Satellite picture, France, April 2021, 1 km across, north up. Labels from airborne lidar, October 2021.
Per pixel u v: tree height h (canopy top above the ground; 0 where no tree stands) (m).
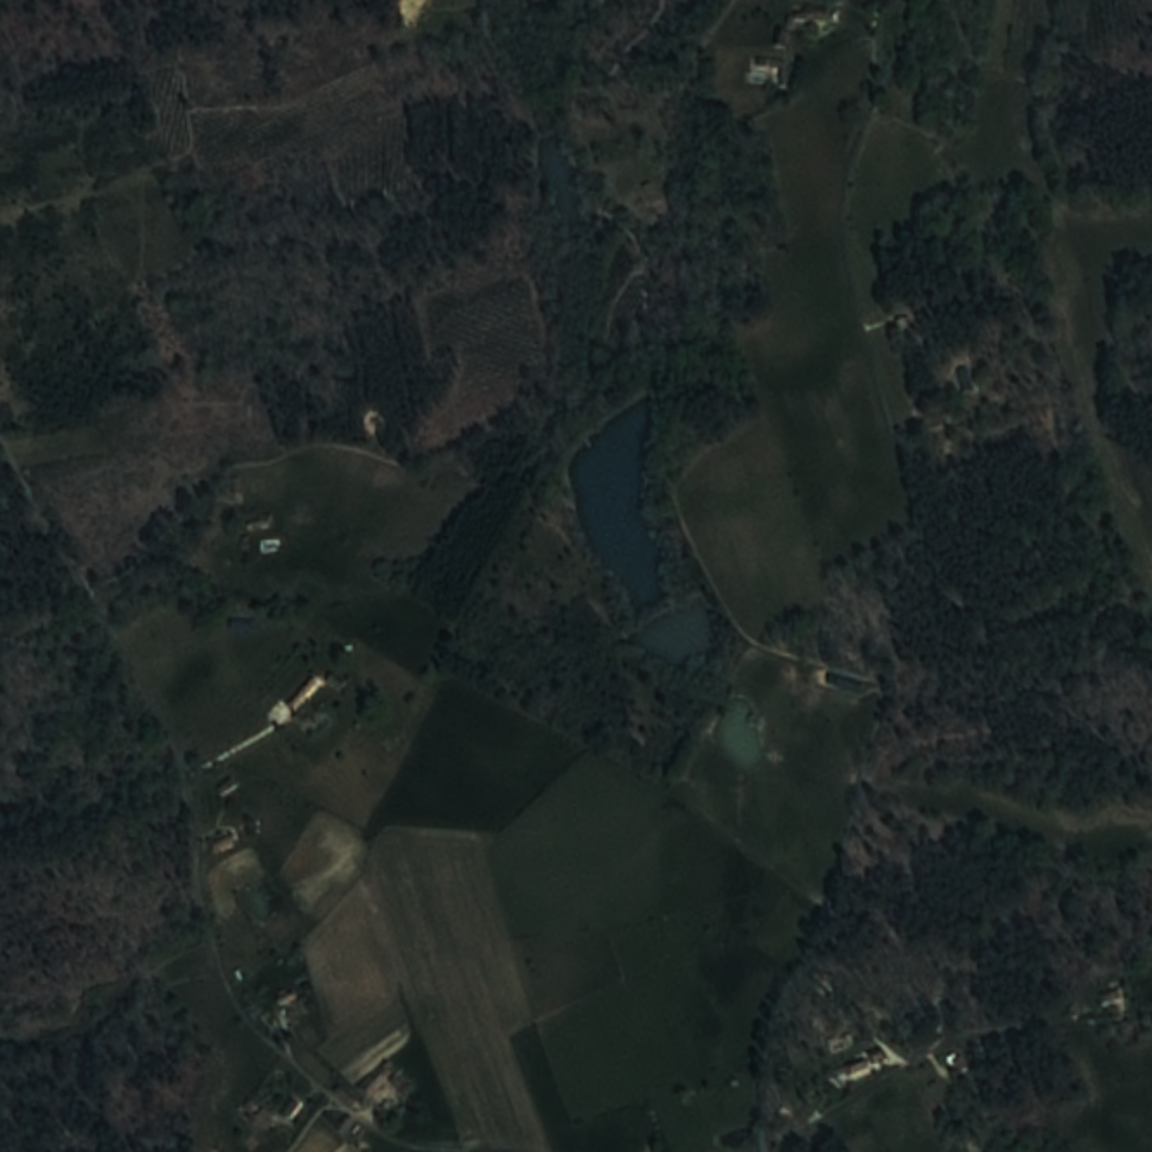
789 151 0
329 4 21
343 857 0
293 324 11
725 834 0
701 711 11
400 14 6
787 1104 19
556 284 15
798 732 0
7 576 25
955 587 23
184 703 0
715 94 12
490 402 0
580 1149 0
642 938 0
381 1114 10
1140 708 10
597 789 0
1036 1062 29
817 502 0
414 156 15
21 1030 16
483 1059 0
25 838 24
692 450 16
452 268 19
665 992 0
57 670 19
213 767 8
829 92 0
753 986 0
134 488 0
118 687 20
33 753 14
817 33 8
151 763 6
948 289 24
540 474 20
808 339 0
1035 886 25
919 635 22
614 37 15
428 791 0
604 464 0
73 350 7
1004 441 6
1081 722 9
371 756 0
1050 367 25
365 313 12
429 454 9
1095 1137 0
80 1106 15
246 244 13
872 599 18
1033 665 15
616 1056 0
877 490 0
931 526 21
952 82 17
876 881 13
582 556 10
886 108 18
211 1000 0
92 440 0
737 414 23
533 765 0
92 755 16
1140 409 23
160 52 11
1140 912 11
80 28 17
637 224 10
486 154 19
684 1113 0
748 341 0
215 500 22
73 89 19
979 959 18
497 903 0
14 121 12
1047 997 24
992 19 16
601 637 11
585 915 0
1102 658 17
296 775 0
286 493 0
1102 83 7
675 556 21
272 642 0
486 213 23
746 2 0
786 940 0
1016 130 0
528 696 8
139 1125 6
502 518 18
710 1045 0
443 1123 0
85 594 11
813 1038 22
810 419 0
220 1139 0
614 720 9
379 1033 0
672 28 14
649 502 13
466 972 0
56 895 8
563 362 19
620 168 0
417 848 0
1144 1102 0
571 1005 0
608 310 11
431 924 0
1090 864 22
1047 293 23
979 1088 12
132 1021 13
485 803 0
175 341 10
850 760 0
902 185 0
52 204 0
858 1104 0
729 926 0
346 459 0
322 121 0
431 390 14
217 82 0
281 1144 0
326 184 12
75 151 0
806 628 20
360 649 0
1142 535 0
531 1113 0
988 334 13
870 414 0
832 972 16
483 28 21
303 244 11
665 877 0
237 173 7
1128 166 25
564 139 18
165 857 9
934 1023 23
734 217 21
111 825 24
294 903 0
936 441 9
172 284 6
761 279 10
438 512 0
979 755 12
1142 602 15
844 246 0
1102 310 0
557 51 24
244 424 0
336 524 0
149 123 14
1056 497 23
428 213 11
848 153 0
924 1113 0
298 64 0
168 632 0
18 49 10
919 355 16
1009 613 26
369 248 13
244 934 0
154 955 17
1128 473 0
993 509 22
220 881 0
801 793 0
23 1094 16
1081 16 13
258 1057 0
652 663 14
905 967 21
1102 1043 11
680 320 17
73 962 6
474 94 15
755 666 0
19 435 14
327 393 16
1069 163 17
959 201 24
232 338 12
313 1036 0
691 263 11
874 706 0
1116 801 13
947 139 13
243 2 8
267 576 0
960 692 17
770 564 0
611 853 0
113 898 9
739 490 0
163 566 21
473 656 8
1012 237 22
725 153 22
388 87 7
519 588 9
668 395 26
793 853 0
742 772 0
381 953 0
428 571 17
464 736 0
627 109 9
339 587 0
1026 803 18
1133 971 10
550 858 0
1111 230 0
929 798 0
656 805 0
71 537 9
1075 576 27
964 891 30
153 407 17
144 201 0
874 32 7
